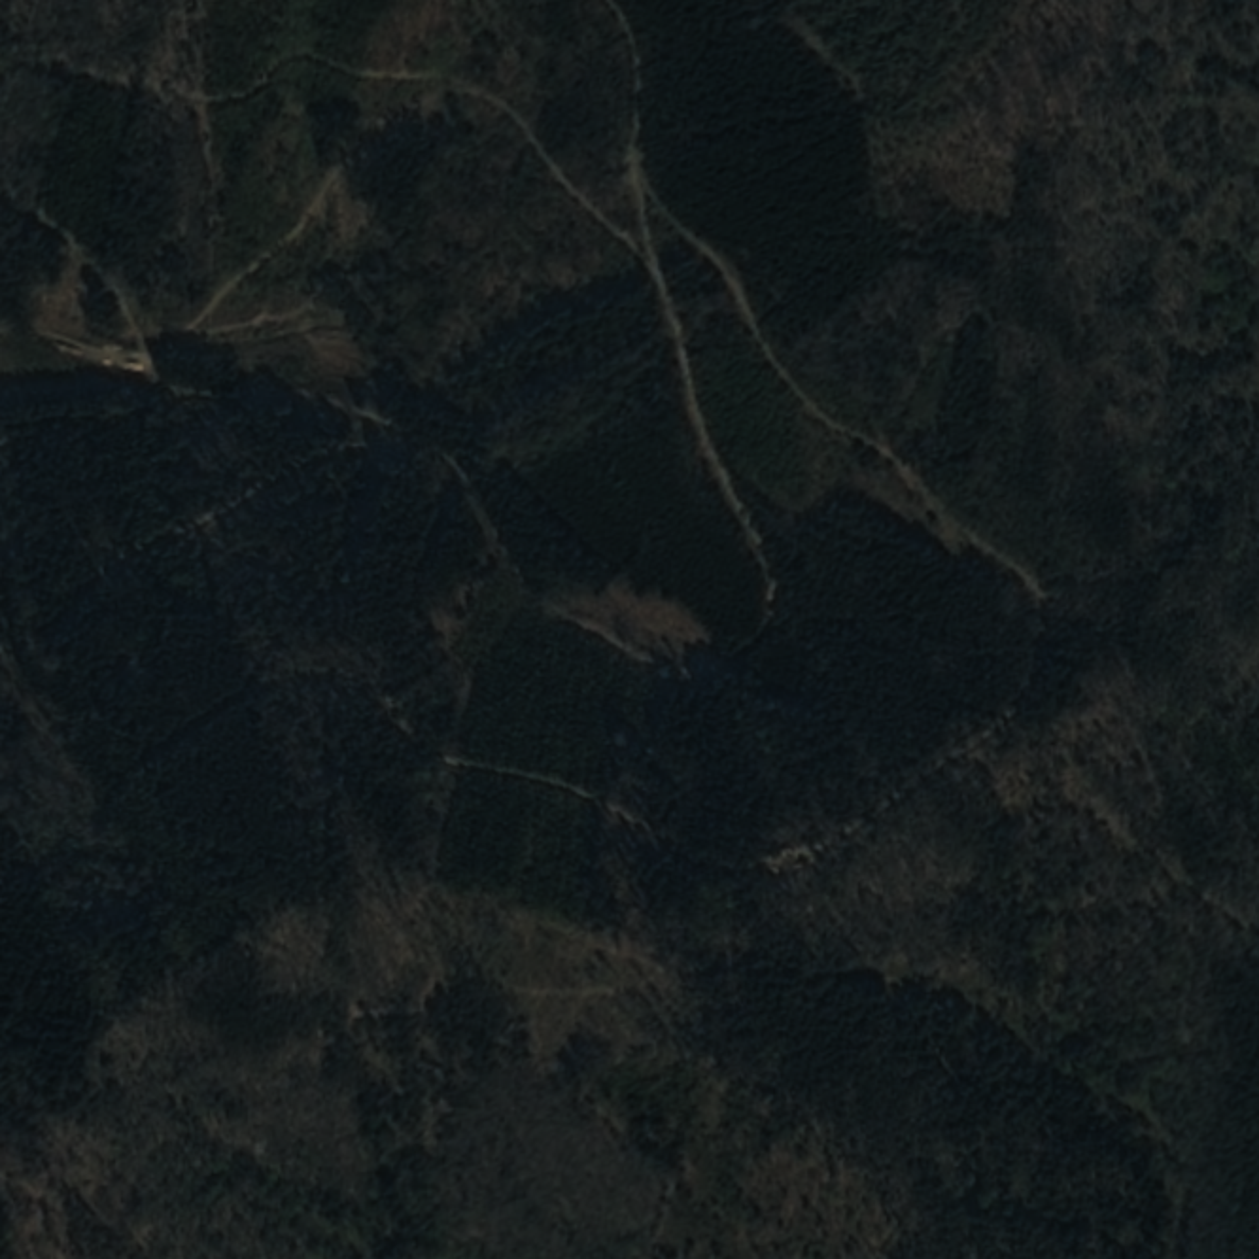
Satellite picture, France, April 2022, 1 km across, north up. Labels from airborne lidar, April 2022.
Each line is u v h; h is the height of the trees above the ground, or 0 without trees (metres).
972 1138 29
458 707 27
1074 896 26
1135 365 16
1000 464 25
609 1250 21
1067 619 22
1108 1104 19
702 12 9
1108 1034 18
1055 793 28
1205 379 20
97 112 16
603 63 5
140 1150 21
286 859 23
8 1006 14
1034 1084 30
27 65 21
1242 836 20
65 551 23
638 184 0
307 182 8
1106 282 16
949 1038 20
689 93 9
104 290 30
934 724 21
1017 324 17
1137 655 13
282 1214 15
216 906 13
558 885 8
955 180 6
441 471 37
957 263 19
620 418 15
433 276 7
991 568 27
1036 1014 19
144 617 24
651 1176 23
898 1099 27
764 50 11
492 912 21
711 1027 27
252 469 33
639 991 0
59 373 0
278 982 22
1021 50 19
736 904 19
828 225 12
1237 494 23
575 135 10
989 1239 32
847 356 27
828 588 23
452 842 7
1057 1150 32
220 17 7
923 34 11
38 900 21
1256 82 12
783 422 13
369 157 30
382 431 0
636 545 10
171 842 13
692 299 25
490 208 9
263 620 31
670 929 19
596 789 9
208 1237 25
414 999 21
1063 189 18
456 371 24
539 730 8
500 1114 34
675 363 16
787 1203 9
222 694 21
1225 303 24
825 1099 27
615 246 10
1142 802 24
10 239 24
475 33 9
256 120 13
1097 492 20
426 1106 30
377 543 34
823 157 12
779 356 9
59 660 28
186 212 24
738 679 33
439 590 25
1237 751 12
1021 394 21
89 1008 10
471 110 12
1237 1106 15
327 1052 19
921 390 9
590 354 11
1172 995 22
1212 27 18
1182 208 22
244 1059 20
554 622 7
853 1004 34
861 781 27
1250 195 17
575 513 12
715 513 16
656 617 0
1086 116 9
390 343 5
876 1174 26
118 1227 19
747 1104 7
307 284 10
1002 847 29
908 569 29
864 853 24
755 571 16
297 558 36
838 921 28
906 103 12
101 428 14
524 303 9
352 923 22
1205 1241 21
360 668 32
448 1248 24
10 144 28
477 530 29
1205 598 20
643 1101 7
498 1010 26
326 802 27
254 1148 25
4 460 20
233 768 23
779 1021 34
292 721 29
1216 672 22
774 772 32
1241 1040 20
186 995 19
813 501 7
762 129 12
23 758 20
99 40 23
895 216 9
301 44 12
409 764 27
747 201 12
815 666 21
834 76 9
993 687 24
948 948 28
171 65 0
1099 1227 35
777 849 24
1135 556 20
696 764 28
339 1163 25
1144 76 23
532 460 13
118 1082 13
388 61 7
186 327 0
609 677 8
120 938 32
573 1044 0
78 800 15
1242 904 15
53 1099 15
